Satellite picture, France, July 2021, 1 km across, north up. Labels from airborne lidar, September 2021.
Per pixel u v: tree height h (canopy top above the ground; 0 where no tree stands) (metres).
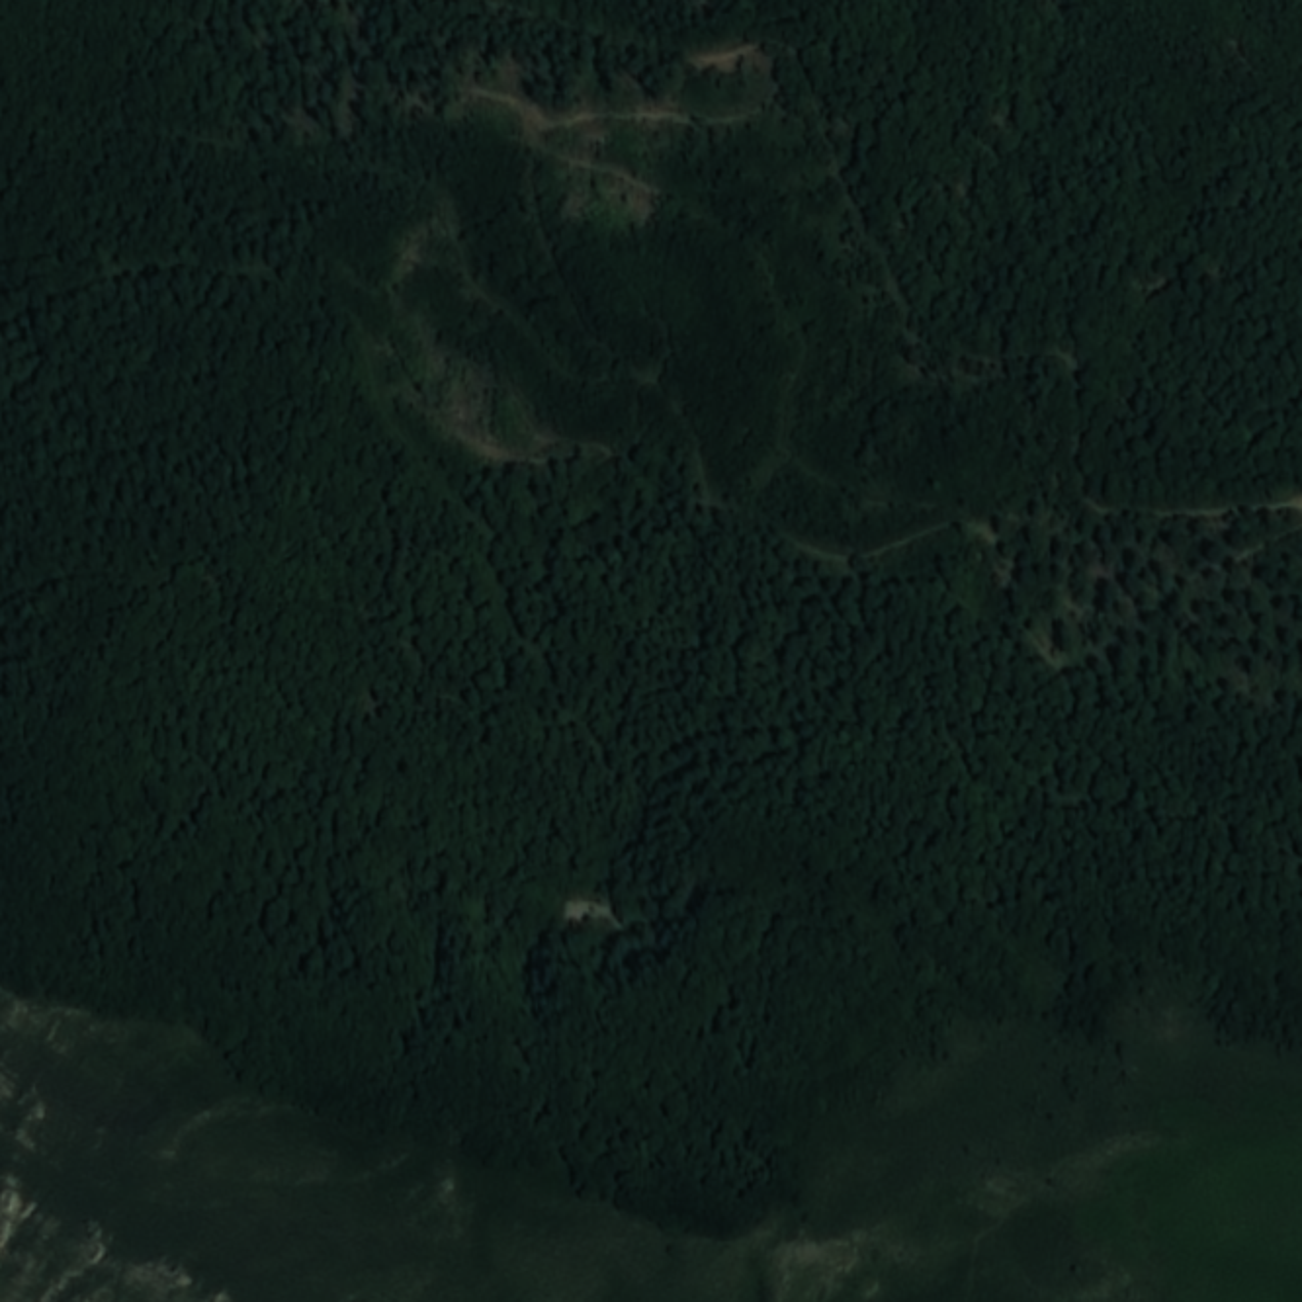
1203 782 20
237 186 15
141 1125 0
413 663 25
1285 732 22
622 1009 22
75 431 24
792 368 9
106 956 21
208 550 6
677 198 14
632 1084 21
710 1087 23
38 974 11
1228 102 17
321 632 20
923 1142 0
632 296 10
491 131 9
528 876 16
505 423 10
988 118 26
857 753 23
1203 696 23
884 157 28
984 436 11
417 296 9
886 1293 0
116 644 14
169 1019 14
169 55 29
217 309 26
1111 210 21
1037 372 21
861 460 12
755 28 17
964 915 25
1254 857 25
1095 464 21
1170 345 17
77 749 17
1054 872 23
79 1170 0
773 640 22
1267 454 22
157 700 22
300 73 34
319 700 21
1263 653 25
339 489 22
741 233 6
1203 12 17
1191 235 26
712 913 19
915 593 20
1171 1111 0
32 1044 0
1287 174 22
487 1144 20
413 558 17
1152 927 22
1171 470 27
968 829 23
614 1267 0
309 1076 22
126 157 16
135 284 15
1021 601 30
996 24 20
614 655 6
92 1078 0
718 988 24
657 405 9
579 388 12
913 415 17
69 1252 0
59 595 23
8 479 22
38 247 13
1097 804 7
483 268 9
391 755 22
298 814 19
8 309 14
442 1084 23
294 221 6
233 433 19
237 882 26
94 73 18
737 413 16
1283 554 7
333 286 11
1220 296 27
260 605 19
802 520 11
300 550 19
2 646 9
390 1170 0
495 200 9
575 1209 0
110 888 24
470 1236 0
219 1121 0
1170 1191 0
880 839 24
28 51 19
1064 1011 7
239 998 21
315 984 25
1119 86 18
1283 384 20
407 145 9
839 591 24
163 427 18
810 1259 0
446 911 17
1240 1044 7
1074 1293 0
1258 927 25
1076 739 22
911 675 24
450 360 11
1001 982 20
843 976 21
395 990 27
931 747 27
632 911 21
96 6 15
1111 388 23
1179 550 28
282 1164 0
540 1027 20
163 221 17
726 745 23
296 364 24
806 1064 20
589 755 19
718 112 0
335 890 17
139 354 22
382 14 21
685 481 26
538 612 28
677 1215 19
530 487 23
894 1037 6
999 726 26
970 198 8
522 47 26
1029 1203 0
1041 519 31
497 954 13
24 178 16
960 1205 0
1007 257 26
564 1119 19
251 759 23
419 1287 0
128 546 11
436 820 27
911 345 14
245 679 21
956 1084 0
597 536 27
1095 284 27
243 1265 0
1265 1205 0
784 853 24
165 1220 0
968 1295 0
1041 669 25
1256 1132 0
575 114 26
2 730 24
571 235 8
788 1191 18
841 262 11
